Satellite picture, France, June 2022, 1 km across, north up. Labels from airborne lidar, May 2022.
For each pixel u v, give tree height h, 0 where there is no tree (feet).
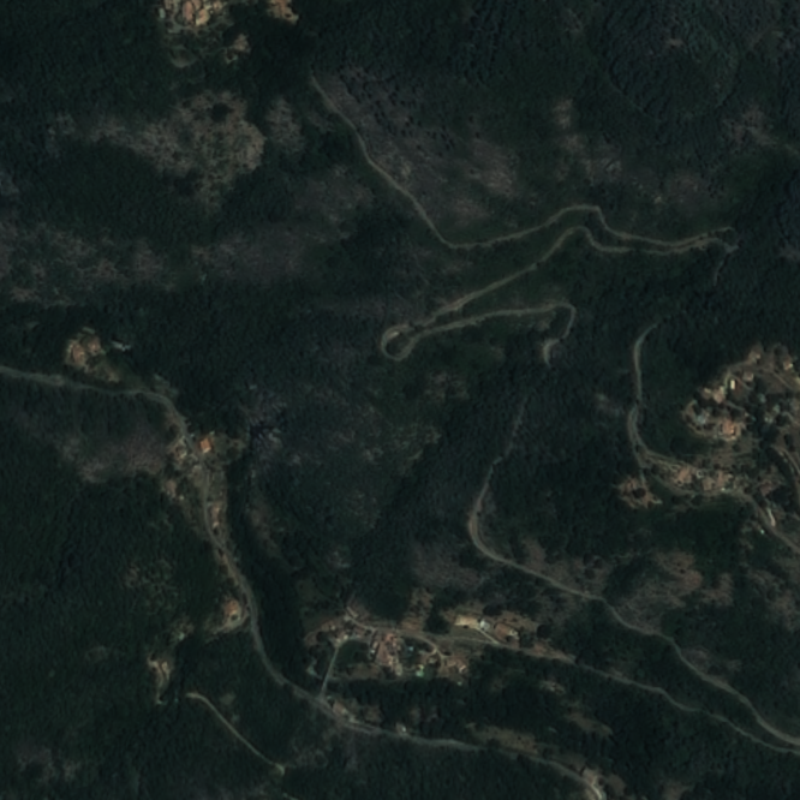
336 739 27
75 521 66
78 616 24
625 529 33
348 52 43
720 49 39
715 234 27
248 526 49
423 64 40
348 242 33
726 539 42
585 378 48
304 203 0
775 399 45
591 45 40
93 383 31
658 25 76
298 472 26
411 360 34
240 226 32
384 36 49
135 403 25
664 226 32
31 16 47
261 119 43
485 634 0
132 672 24
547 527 27
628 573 39
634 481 27
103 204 60
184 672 56
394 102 47
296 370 29
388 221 42
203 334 64
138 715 20
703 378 34
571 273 19
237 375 32
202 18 0
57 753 35
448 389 27
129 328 25
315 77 22
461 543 25
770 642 52
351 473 25
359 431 21
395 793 39
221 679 32
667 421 26
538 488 32
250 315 23
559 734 29
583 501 28
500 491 26
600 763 27
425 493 28
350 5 32
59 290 22
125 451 0
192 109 25
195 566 35
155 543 34
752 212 50
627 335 21
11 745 25
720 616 35
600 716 57
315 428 24
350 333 23
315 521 44
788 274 45
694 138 69
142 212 71
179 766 36
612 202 18
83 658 32
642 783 44
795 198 60
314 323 28
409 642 21
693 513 35
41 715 45
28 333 38
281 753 26
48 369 52
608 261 24
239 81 29
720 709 26
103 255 26
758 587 20
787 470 44
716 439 0
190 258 25
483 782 44
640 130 28
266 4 50
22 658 32
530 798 34
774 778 56
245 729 29
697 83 54
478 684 22
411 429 22
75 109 43
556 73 20
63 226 41
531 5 92
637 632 26
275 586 61
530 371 47
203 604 41
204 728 30
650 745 33
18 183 26
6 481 64
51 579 63
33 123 37
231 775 30
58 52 45
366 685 56
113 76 48
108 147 19
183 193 49
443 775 32
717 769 47
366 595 29
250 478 35
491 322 33
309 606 23
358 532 31
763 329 57
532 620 20
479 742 39
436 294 27
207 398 35
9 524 41
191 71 51
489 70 96
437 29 57
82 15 31
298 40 46
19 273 38
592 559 30
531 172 30
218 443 0
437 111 45
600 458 44
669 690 33
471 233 0
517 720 55
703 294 42
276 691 26
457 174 0
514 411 46
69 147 35
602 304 24
